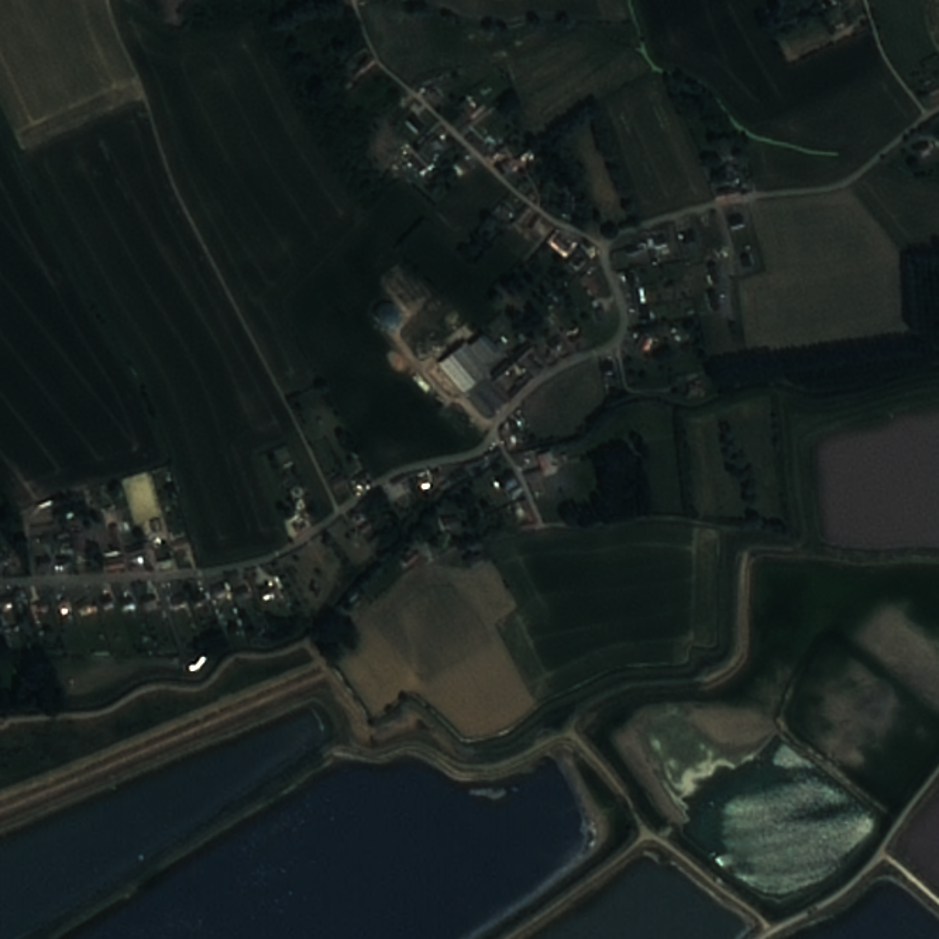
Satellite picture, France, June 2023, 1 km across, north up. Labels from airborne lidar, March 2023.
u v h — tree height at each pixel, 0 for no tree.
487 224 13
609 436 0
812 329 0
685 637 0
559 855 0
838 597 0
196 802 0
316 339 0
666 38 0
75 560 0
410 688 0
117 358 0
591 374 0
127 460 0
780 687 0
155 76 0
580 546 0
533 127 0
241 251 0
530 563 0
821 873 0
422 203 0
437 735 0
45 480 0
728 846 0
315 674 0
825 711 0
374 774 0
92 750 0
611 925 0
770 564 0
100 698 0
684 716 0
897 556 0
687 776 0
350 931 0
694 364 0
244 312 0
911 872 0
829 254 0
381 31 0
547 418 0
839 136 0
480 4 0
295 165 0
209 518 0
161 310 0
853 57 0
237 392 0
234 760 0
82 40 0
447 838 0
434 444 0
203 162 0
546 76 0
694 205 0
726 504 0
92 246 0
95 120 0
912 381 0
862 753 0
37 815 0
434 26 0
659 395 0
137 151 0
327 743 0
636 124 0
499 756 0
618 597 0
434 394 0
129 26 0
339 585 0
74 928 0
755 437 0
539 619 0
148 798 0
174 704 0
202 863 0
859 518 0
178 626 0
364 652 0
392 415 0
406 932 0
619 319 0
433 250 0
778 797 0
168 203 0
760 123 0
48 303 0
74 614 0
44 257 0
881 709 0
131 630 0
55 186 0
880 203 0
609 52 0
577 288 0
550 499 0
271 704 0
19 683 17
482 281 0
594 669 0
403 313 0
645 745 0
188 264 0
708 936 0
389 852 0
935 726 0
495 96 0
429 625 0
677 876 0
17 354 0
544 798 0
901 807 0
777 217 0
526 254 0
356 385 0
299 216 0
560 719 0
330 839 0
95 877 0
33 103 0
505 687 0
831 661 0
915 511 0
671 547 0
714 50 0
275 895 0
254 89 0
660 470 0
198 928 0
